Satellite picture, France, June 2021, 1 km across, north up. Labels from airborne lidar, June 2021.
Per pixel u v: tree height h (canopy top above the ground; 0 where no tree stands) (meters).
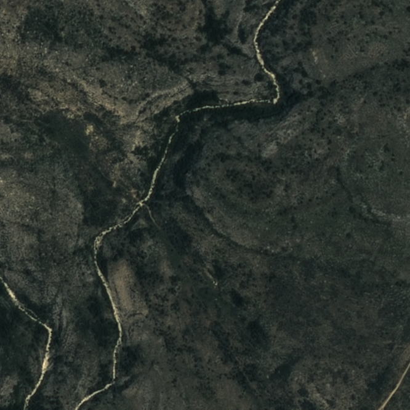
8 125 0
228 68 6
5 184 0
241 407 0
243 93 0
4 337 6
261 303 0
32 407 8
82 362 0
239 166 0
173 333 0
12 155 0
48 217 0
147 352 0
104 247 0
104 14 0
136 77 0
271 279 6
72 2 0
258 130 0
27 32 0
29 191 0
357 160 0
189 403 0
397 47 0
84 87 0
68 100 0
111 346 7
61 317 0
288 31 0
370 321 0
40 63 0
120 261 0
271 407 0
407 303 0
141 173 10
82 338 0
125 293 0
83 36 0
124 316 0
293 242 0
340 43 0
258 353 0
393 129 0
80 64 0
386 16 0
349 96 0
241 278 0
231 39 0
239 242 0
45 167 0
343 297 0
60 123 0
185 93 0
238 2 0
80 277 0
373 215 0
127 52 6
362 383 0
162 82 0
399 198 0
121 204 0
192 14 0
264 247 0
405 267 0
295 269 0
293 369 0
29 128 0
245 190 0
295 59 0
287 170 0
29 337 0
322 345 0
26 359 0
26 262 0
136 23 0
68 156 0
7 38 0
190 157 6
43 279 0
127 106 0
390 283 0
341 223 0
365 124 0
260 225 0
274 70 9
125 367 7
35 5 0
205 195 0
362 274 0
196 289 0
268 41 0
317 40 0
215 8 0
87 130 0
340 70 0
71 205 0
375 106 0
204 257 0
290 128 0
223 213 0
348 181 0
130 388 0
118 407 0
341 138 0
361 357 0
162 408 0
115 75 0
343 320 0
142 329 0
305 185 0
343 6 0
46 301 0
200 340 0
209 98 9
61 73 0
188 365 0
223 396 0
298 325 0
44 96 0
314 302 0
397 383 0
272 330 0
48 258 0
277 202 0
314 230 0
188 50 0
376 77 0
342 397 0
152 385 0
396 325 0
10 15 0
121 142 0
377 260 0
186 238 8
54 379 0
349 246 0
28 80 0
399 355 0
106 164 0
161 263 0
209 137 0
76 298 0
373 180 0
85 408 0
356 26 0
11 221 0
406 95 0
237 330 0
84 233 0
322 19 0
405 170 0
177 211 0
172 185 0
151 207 6
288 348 0
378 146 0
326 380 0
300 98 10
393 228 0
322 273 0
